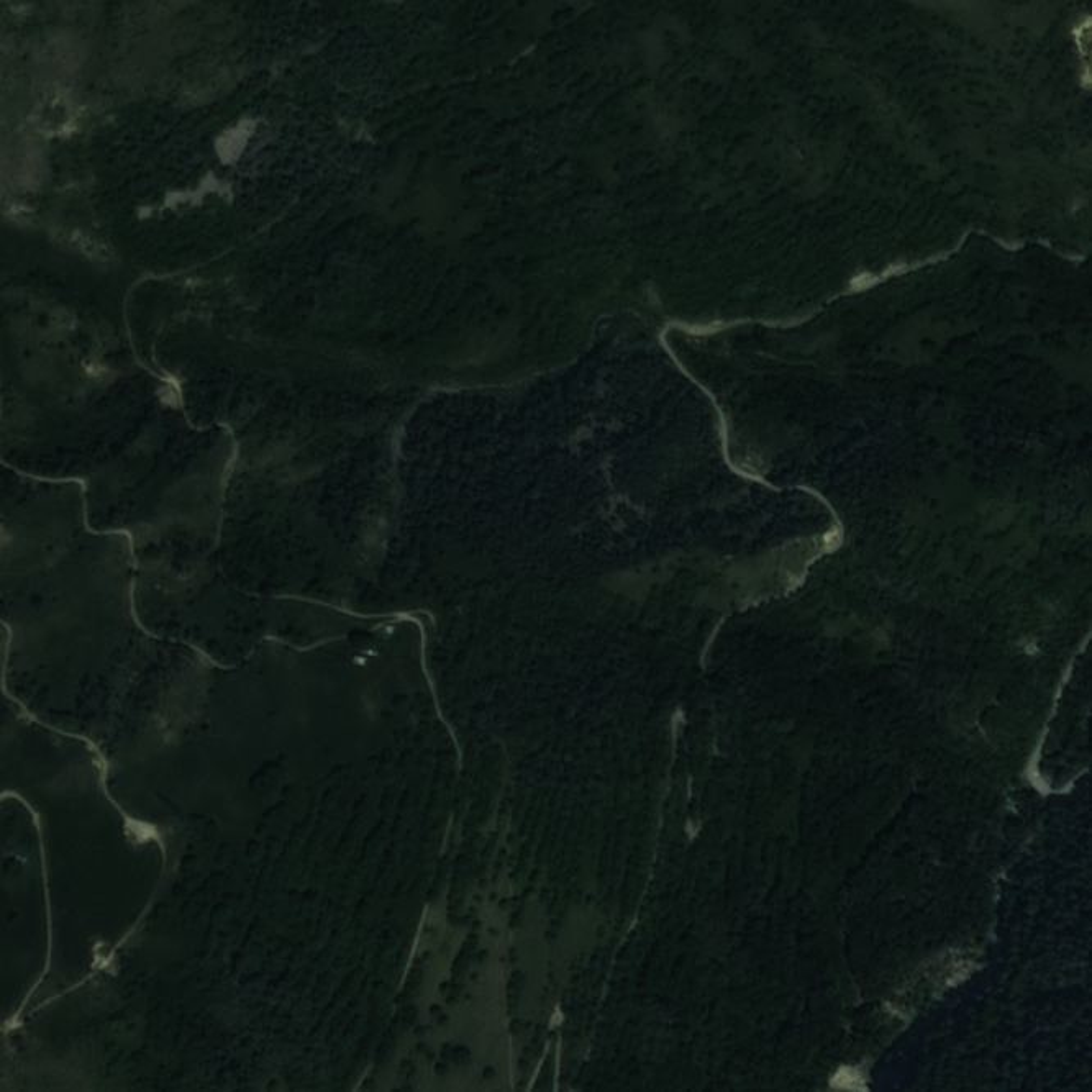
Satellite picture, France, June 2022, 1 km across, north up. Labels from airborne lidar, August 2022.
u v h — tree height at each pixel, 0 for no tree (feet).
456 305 27
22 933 0
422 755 23
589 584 49
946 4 0
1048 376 48
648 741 52
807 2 49
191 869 55
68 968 0
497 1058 0
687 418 47
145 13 21
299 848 56
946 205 38
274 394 29
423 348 36
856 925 91
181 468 22
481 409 47
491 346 0
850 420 35
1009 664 40
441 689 29
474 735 31
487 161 31
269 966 47
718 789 62
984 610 42
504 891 0
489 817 52
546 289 40
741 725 51
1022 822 88
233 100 42
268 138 58
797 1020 96
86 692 30
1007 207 0
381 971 52
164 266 29
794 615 31
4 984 0
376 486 20
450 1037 0
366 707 0
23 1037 24
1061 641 37
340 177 62
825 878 50
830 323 47
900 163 43
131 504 38
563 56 55
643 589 0
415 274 30
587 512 49
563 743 39
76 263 0
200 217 46
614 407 53
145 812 0
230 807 0
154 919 43
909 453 48
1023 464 59
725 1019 60
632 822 60
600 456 81
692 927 59
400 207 44
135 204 42
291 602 0
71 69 0
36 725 20
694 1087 60
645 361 81
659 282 35
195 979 52
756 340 54
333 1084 44
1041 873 82
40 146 0
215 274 24
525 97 45
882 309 27
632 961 79
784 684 99
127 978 41
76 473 22
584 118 66
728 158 30
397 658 0
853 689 96
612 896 47
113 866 0
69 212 19
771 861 78
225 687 0
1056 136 18
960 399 28
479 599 32
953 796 80
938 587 33
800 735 70
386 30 33
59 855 0
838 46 23
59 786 0
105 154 23
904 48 50
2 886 0
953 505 0
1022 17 0
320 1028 70
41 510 0
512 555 48
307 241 59
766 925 71
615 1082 61
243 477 32
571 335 47
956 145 0
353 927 49
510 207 66
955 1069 89
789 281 32
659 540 65
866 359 21
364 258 34
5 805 0
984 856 70
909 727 82
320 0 35
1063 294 58
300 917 54
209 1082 34
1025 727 41
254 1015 75
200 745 0
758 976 69
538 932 0
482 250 51
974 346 59
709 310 42
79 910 0
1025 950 67
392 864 79
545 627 54
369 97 36
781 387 25
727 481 40
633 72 33
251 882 24
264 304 31
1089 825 60
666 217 45
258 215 57
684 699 72
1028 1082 73
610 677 83
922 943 73
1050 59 44
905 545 29
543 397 41
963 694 70
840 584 58
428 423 41
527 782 56
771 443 0
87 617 0
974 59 0
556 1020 0
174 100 28
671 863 52
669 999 41
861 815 97
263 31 37
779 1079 102
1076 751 77
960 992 36
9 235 0
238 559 39
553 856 53
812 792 55
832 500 34
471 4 58
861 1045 75
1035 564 48
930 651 49
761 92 29
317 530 0
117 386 23
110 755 23
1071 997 29
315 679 0
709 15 31
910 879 90
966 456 41
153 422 33
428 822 52
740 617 52
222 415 24
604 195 92
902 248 45
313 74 61
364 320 52
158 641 26
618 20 60
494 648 45
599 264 39
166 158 53
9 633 0
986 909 65
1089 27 0
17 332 0
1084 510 66
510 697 84
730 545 68
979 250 72
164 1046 27
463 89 64
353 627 0
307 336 36
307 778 0
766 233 44
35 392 0
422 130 49
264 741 0
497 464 44
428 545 41
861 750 79
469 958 54
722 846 49
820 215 31
